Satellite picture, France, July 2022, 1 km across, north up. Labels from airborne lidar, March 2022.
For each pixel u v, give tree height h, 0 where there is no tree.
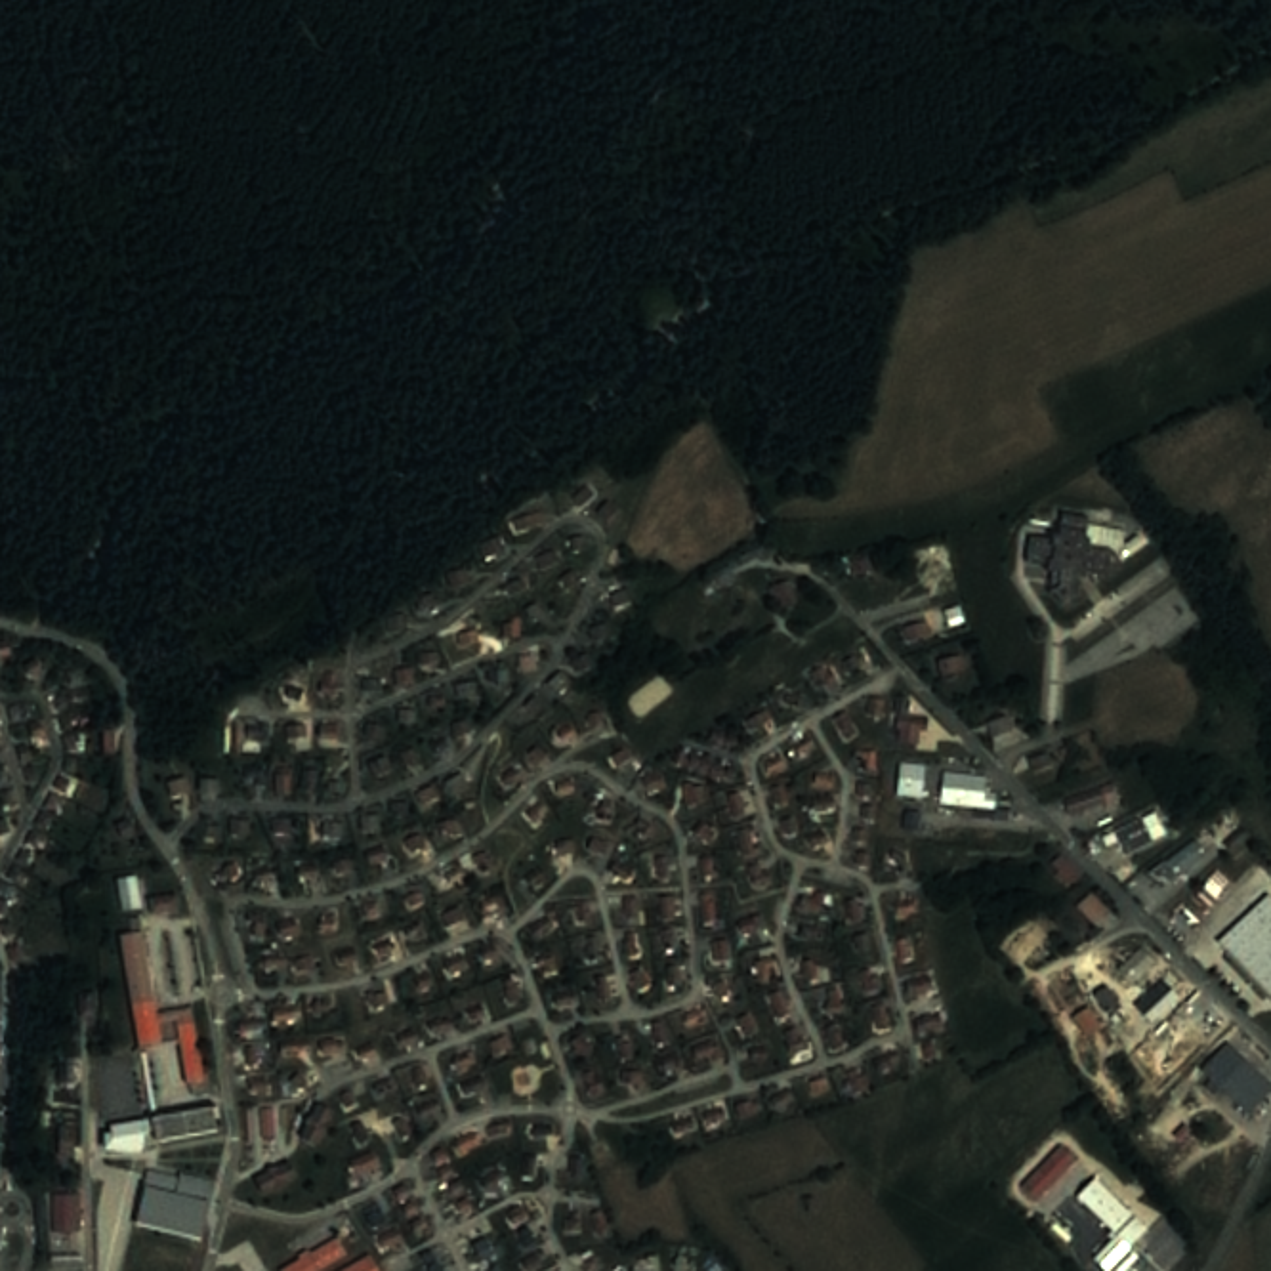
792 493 19
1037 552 0
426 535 29
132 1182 0
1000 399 0
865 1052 0
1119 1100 0
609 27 37
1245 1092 0
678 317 0
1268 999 0
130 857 0
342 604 32
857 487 0
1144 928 0
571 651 10
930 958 0
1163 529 17
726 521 0
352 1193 0
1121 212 0
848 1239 0
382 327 26
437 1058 0
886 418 0
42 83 27
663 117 14
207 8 17
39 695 0
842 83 19
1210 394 0
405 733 7
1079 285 0
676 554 0
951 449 0
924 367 0
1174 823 8
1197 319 0
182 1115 0
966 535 0
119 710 13
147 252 12
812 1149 0
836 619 0
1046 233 0
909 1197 0
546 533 0
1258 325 0
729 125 16
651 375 27
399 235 19
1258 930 0
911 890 0
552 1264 0
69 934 6
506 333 20
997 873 14
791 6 20
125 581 31
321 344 27
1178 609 0
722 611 0
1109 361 0
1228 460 0
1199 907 0
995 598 0
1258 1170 0
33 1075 20
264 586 19
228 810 0
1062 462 0
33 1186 18
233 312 26
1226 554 13
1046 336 0
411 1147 0
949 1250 0
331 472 26
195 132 16
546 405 34
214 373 17
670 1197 0
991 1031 0
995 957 7
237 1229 0
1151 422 0
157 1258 0
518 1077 0
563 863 0
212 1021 0
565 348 31
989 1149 0
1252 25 27
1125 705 0
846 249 23
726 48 18
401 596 21
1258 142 0
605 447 15
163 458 26
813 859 0
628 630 7
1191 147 0
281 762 0
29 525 26
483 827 0
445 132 13
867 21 21
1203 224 0
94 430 25
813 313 23
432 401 24
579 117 26
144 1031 0
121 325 18
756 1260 0
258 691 0
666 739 0
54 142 25
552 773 0
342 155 16
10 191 9
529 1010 0
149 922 0
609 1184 0
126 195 6
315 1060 0
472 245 29
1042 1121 0
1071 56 26
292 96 19
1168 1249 0
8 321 10
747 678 0
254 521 30
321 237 19
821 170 16
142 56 16
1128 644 0
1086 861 0
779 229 17
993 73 13
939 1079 0
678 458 0
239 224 18
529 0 29
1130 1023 0
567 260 21
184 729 5
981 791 0
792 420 28
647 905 0
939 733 0
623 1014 0
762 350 29
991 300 0
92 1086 0
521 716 0
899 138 18
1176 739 0
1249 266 0
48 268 16
